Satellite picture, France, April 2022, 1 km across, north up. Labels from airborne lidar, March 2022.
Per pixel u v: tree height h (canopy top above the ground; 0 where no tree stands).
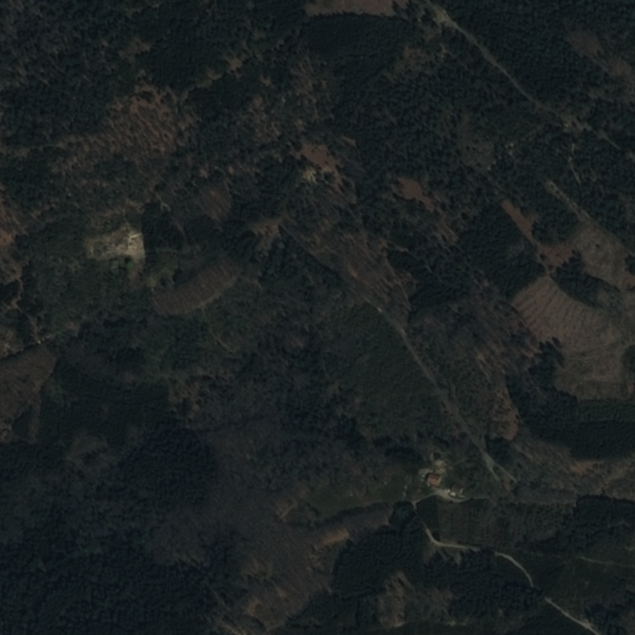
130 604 10
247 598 23
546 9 17
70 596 25
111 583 20
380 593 7
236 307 16
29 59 18
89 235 15
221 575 32
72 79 14
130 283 18
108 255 0
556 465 12
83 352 23
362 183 24
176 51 16
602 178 14
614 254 0
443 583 26
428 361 9
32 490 23
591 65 13
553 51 21
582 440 18
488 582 31
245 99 5
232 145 28
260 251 33
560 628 8
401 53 16
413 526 32
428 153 21
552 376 23
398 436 9
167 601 22
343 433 17
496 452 20
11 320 29
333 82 9
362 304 18
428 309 24
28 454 23
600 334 0
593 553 19
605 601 9
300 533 24
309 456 28
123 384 18
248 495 27
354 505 0
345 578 24
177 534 33
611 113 13
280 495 19
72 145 7
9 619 18
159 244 12
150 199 24
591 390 0
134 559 29
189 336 21
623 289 0
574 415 23
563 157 11
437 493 0
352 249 23
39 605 9
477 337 20
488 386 15
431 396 10
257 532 23
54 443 16
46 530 19
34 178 11
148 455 35
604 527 12
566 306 0
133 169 27
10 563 19
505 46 17
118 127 21
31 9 22
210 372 27
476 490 9
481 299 16
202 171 25
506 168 17
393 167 24
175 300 25
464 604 21
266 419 20
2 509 20
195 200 28
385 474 16
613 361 0
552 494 20
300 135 21
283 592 26
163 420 20
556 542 15
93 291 16
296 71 26
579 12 16
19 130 30
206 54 24
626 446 15
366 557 23
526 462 20
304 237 26
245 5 22
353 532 33
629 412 9
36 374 13
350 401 22
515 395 21
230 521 24
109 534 31
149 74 7
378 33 14
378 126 18
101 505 26
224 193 27
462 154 9
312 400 14
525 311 0
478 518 7
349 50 19
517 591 26
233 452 25
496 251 17
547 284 0
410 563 29
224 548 30
